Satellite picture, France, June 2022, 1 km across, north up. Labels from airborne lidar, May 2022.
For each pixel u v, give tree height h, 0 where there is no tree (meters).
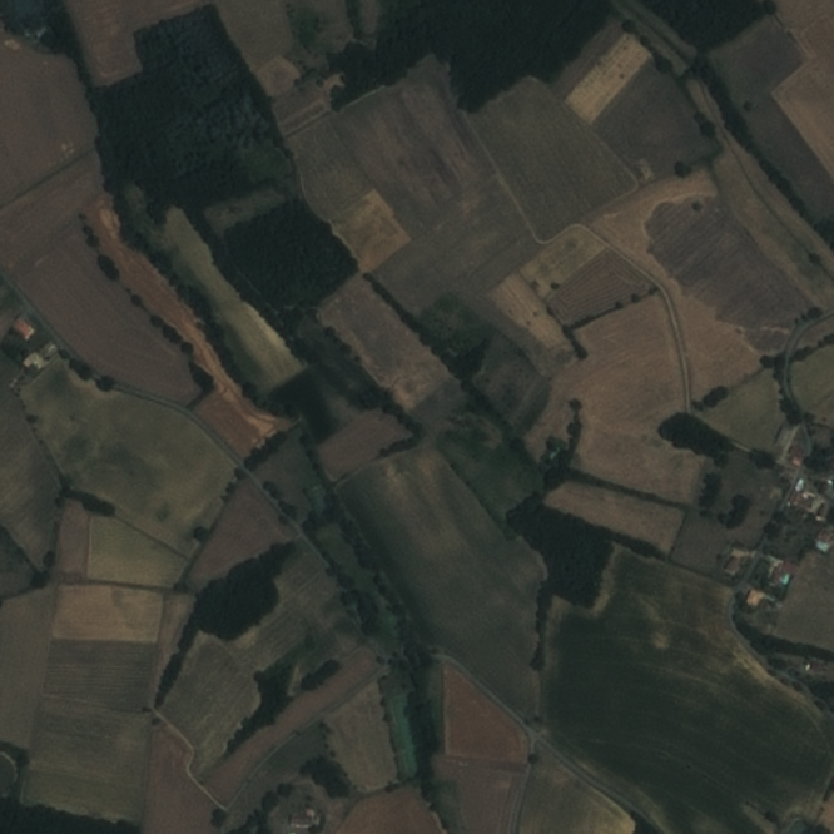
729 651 0
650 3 17
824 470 12
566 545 18
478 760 0
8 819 16
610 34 0
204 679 0
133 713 0
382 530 0
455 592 0
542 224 0
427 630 0
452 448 0
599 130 0
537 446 0
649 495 8
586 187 0
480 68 14
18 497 0
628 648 0
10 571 0
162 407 0
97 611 0
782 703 0
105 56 0
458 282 0
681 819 0
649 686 0
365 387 0
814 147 0
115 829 17
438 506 0
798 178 0
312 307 8
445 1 19
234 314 0
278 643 0
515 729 0
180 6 0
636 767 0
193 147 8
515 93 0
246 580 15
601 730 0
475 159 0
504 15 17
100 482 0
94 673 0
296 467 0
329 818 0
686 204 0
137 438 0
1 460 0
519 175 0
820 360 0
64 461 0
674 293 0
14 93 0
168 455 0
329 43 0
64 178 0
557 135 0
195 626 14
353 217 0
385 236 0
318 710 0
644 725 0
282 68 0
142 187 20
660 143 0
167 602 0
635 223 0
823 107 0
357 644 0
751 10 18
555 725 0
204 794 0
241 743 13
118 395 0
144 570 0
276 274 12
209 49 15
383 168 0
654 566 0
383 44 13
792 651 16
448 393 0
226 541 0
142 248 25
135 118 16
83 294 0
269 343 0
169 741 0
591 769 0
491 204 0
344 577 24
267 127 19
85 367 14
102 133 7
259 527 0
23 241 0
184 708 0
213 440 0
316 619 0
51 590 0
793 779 0
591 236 0
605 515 0
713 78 16
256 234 11
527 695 0
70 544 0
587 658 0
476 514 0
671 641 0
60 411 0
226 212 0
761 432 0
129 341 0
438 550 0
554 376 0
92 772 0
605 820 0
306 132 0
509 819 0
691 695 0
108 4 0
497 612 0
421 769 13
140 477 0
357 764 0
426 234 0
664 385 0
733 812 0
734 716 0
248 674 0
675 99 0
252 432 0
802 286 0
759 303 0
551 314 6
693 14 23
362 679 0
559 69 11
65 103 0
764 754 0
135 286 0
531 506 14
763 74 0
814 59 0
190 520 0
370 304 0
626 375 0
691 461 0
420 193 0
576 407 12
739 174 0
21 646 0
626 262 0
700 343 0
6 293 0
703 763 0
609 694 0
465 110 10
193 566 0
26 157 0
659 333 0
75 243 0
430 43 11
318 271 9
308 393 0
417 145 0
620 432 0
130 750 0
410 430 11
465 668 0
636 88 0
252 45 0
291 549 11
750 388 0
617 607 0
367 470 0
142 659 0
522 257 0
